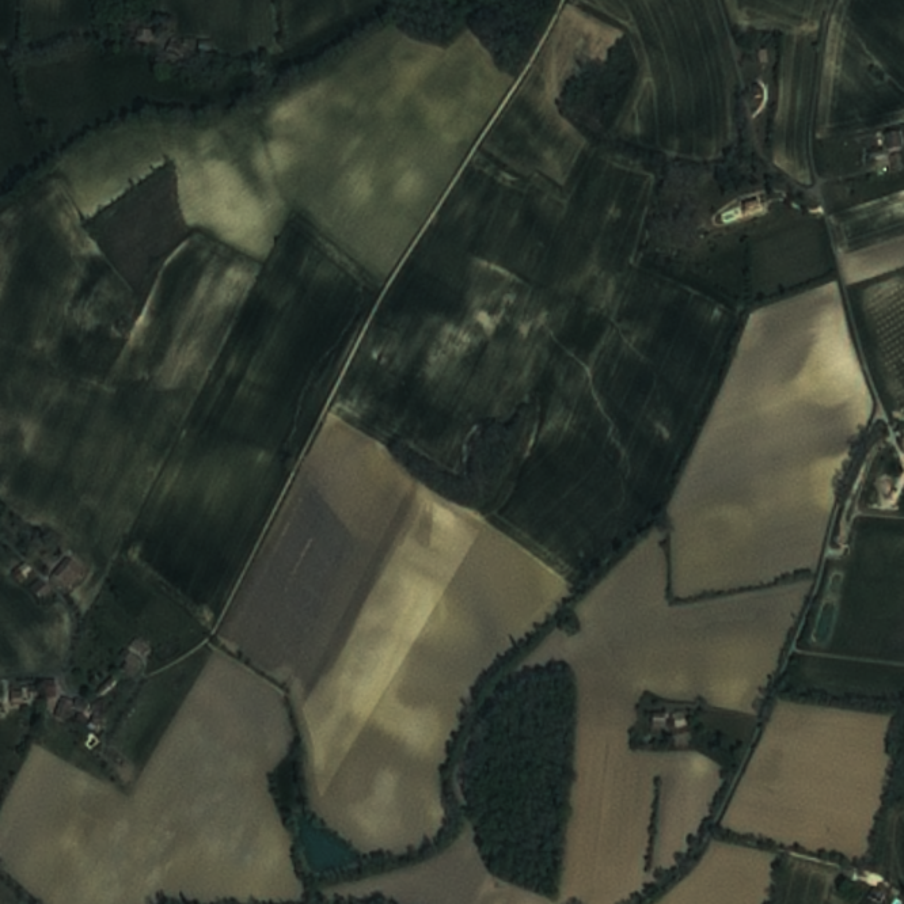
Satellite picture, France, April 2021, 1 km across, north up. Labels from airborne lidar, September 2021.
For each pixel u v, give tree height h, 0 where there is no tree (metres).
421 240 0
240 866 0
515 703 24
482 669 0
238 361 0
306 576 0
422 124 0
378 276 0
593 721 0
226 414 0
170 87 0
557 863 19
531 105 0
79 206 0
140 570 0
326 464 0
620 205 0
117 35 18
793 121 0
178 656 0
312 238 0
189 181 0
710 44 0
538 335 0
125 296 0
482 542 0
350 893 0
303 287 0
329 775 0
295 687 0
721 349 0
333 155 0
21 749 7
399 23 19
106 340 0
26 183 25
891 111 0
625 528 0
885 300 0
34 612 0
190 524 0
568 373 0
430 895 0
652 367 0
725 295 6
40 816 0
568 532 0
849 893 19
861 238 0
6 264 0
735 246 0
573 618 6
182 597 0
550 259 0
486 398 0
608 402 0
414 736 0
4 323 0
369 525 0
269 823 0
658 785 11
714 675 0
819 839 0
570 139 0
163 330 0
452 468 0
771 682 8
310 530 0
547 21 16
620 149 13
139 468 0
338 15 0
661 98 0
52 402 0
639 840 0
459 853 0
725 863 0
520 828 22
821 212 0
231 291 0
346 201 0
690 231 19
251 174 0
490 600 0
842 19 0
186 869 0
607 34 0
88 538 0
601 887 0
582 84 13
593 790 0
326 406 0
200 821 0
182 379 0
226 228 0
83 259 0
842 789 0
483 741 21
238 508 0
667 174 16
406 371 0
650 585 0
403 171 0
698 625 0
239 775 0
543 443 0
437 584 0
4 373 0
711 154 0
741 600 0
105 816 0
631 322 0
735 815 0
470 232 0
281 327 0
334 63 14
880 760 0
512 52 17
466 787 22
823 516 0
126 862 0
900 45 0
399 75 0
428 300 0
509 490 0
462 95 0
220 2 0
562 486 0
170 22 13
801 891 0
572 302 0
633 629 0
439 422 0
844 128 0
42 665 0
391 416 0
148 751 0
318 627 0
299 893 0
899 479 0
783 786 0
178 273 0
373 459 0
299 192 0
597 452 0
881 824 12
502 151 0
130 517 0
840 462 0
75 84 0
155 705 0
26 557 23
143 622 0
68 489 0
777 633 0
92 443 0
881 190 0
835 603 0
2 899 0
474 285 0
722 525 0
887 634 0
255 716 0
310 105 0
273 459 0
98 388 0
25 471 0
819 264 0
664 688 0
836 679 0
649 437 0
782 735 0
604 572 20
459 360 0
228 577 0
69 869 0
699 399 0
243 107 22
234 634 0
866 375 0
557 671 15
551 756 20
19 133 0
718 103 0
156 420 0
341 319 0
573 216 0
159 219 0
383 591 0
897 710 16
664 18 0
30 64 24
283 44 14
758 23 0
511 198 0
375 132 0
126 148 0
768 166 12
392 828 0
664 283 0
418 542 0
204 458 0
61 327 0
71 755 0
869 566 0
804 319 0
